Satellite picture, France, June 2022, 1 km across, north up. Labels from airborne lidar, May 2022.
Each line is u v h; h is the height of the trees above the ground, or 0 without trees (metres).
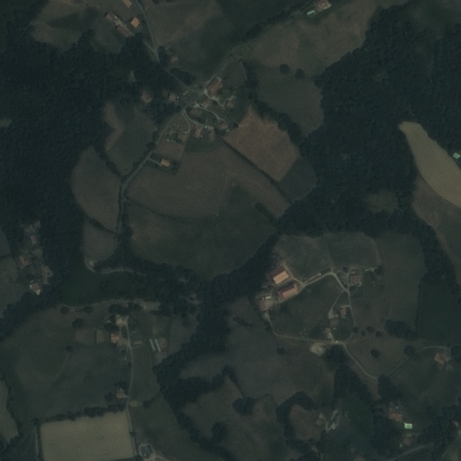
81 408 0
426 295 0
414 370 0
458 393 0
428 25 0
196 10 0
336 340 0
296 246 0
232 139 0
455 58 25
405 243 0
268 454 0
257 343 0
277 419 8
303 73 13
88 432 0
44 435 0
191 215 0
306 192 0
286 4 0
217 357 0
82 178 0
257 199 0
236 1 0
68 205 13
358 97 33
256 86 16
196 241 0
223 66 0
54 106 26
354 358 0
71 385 0
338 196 22
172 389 24
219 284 23
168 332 0
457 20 0
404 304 0
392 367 0
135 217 0
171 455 0
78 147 8
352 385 24
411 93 22
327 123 22
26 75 27
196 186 0
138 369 0
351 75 26
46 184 25
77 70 33
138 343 0
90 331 0
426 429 8
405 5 9
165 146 0
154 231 0
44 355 0
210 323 23
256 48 0
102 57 22
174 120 0
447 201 0
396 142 24
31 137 18
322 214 23
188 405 0
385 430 26
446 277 23
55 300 18
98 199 0
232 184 0
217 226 0
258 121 0
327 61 0
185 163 0
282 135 0
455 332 0
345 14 0
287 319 0
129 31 0
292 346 0
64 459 0
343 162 24
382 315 0
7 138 19
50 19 0
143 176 0
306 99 0
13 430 0
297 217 20
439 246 26
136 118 0
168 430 0
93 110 28
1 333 20
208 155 0
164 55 12
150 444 0
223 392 0
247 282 23
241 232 0
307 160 16
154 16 0
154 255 0
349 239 0
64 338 0
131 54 7
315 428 0
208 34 0
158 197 0
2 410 0
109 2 0
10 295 0
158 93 18
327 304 0
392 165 32
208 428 0
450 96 29
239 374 0
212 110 0
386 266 0
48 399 0
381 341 0
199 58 0
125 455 0
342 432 0
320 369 0
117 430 0
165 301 18
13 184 19
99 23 0
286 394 0
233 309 0
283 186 0
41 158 18
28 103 21
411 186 9
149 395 0
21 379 0
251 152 0
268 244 15
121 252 0
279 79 0
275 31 0
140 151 0
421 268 0
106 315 0
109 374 0
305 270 0
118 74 0
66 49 0
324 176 24
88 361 0
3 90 26
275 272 0
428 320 0
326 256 0
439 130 21
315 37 0
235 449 0
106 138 7
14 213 22
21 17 15
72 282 0
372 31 17
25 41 27
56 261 14
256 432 0
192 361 10
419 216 0
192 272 13
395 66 28
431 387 0
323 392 0
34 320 0
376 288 0
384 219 25
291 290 0
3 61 20
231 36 0
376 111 32
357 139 30
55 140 18
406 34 21
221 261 0
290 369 0
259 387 0
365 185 29
